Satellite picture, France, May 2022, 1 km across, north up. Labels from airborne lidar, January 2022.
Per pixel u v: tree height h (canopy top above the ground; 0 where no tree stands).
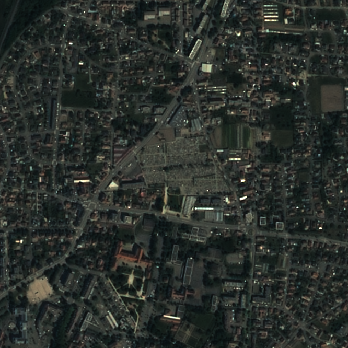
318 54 0
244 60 7
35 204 0
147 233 0
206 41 0
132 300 8
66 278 0
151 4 17
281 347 0
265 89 6
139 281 14
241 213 0
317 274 8
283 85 0
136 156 0
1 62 0
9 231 0
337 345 0
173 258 0
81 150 0
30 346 0
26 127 0
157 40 0
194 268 0
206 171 0
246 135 0
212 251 0
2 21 0
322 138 11
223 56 0
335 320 7
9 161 0
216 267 0
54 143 0
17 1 0
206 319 0
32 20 11
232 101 0
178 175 0
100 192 0
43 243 9
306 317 0
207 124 0
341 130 0
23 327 0
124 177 0
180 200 0
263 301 0
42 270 0
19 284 0
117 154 0
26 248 0
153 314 6
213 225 0
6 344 0
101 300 0
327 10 0
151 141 0
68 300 0
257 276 0
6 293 0
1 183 0
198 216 0
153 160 0
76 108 0
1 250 0
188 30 11
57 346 21
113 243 9
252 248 0
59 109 0
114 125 12
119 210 0
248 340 9
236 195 0
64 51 0
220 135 0
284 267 0
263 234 0
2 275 0
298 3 8
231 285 0
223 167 0
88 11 0
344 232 0
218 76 0
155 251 13
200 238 0
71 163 0
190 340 0
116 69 0
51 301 0
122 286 12
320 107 0
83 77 0
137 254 0
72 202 0
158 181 0
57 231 13
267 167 0
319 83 0
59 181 6
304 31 0
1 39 0
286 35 7
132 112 0
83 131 0
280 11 0
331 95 0
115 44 0
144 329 10
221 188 0
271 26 0
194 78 0
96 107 7
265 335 0
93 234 15
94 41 9
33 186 12
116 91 0
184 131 0
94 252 13
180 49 0
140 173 0
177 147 0
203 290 0
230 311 0
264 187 0
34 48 0
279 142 0
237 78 0
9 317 0
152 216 13
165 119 0
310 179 0
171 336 9
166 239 14
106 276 8
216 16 18
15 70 0
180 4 0
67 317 21
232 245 0
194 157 0
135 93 0
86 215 0
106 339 13
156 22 0
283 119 0
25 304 18
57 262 0
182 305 0
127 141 0
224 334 17
